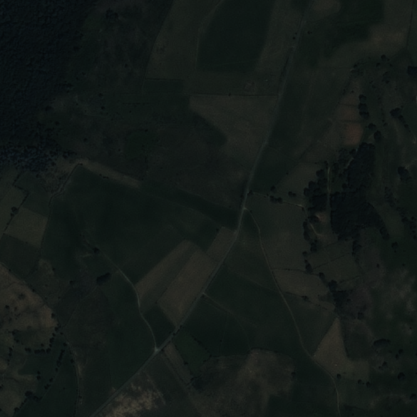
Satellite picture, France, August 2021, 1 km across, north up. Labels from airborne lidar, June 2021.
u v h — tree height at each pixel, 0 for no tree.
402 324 0
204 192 0
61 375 0
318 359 0
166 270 0
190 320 0
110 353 0
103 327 0
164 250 0
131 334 0
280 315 0
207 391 0
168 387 0
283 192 0
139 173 0
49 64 23
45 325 0
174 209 0
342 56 0
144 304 0
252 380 0
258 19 0
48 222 0
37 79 19
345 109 0
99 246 0
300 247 0
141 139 0
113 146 0
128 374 0
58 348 0
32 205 0
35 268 0
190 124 0
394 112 12
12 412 0
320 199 16
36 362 0
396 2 0
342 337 0
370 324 0
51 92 14
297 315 0
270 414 0
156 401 0
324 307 0
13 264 0
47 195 0
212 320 0
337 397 0
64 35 25
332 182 6
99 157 0
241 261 0
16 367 0
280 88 0
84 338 0
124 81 0
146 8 0
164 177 0
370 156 24
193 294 0
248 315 0
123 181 0
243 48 0
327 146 0
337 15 0
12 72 23
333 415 0
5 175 0
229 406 0
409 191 0
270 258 0
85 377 0
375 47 0
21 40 27
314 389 0
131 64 0
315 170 0
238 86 0
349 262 0
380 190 0
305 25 0
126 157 0
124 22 0
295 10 0
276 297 0
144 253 0
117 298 0
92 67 0
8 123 18
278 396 0
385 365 14
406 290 0
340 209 19
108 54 0
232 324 0
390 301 0
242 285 0
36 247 0
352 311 0
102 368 0
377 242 0
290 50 0
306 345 0
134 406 0
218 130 0
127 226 0
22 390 0
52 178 0
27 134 25
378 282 0
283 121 0
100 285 12
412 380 0
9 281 0
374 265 0
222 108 0
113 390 0
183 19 0
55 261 0
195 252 0
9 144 7
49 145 15
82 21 15
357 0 0
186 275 0
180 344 0
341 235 8
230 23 0
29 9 21
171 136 0
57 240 0
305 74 0
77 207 0
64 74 16
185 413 0
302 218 0
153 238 0
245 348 0
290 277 0
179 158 0
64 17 23
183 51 0
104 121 0
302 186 0
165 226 0
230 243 0
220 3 0
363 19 0
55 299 0
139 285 0
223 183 0
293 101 0
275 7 0
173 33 0
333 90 0
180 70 0
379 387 0
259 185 0
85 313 0
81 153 0
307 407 0
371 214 19
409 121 0
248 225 0
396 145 0
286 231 0
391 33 0
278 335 0
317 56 0
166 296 0
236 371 0
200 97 0
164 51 0
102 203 0
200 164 0
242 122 0
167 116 0
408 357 0
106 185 0
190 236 0
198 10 0
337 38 0
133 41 0
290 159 0
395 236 0
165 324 0
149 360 0
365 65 0
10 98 18
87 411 0
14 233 0
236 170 0
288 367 0
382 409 0
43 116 0
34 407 0
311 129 0
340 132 0
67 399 0
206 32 0
